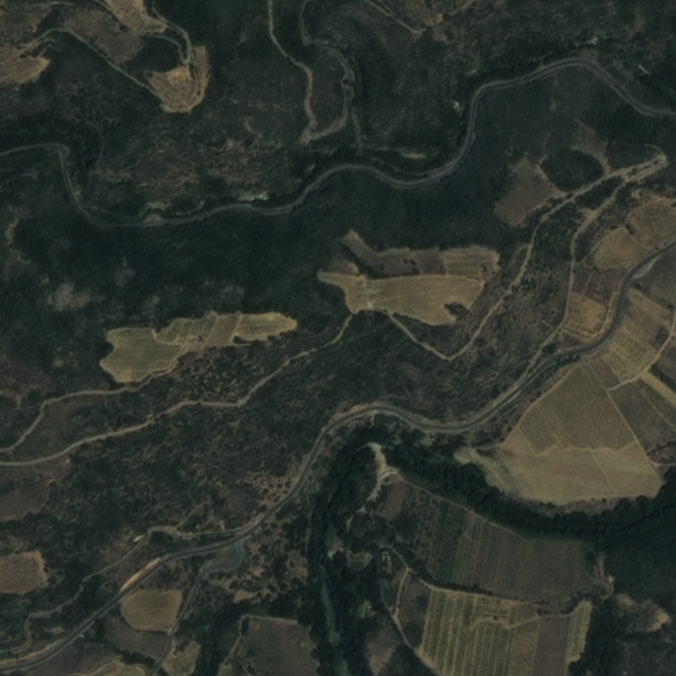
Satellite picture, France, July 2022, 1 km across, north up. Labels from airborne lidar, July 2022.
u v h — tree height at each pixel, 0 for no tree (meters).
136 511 9
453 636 0
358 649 11
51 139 9
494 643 0
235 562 0
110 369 0
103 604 10
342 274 0
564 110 0
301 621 12
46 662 0
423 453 18
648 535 13
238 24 6
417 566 8
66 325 6
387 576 6
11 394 0
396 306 0
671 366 0
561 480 0
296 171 8
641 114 7
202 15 6
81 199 7
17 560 0
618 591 6
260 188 6
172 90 0
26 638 7
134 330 0
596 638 10
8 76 0
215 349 6
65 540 9
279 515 9
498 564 0
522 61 13
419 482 6
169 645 0
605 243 0
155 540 6
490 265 0
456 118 6
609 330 0
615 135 6
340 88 8
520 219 0
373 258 0
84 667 0
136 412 6
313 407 11
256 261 6
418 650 0
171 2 9
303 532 7
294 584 7
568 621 0
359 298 0
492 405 0
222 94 8
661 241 0
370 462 11
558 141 0
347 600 21
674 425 0
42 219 6
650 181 7
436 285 0
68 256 7
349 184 6
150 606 0
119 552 0
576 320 0
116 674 0
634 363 0
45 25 7
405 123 6
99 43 0
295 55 9
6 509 0
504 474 0
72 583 6
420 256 0
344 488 12
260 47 6
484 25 6
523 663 0
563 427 0
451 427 0
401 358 8
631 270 0
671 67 7
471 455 0
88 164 10
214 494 8
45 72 6
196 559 8
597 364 0
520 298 0
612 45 8
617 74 0
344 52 12
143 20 0
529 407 0
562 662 0
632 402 0
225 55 6
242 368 8
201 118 6
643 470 0
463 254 0
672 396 0
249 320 0
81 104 7
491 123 6
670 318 0
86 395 0
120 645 0
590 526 9
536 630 0
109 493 7
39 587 0
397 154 10
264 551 5
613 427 0
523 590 0
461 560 0
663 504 12
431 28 7
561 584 0
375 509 7
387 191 7
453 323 0
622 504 10
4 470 0
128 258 7
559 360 6
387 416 7
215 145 6
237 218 6
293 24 7
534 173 0
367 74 7
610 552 6
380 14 0
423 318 0
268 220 7
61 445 0
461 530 7
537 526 10
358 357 7
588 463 0
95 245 7
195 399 7
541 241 6
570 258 10
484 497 10
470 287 0
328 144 8
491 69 9
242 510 0
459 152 0
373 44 5
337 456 8
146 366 0
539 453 0
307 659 0
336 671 11
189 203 6
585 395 0
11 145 9
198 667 6
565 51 6
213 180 6
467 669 0
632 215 0
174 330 0
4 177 6
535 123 0
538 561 0
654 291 0
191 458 8
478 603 0
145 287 6
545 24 6
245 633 8
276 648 0
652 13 6
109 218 7
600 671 16
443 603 0
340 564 19
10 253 0
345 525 8
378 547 7
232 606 8
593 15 6
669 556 6
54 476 0
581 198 7
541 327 0
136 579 0
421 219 9
